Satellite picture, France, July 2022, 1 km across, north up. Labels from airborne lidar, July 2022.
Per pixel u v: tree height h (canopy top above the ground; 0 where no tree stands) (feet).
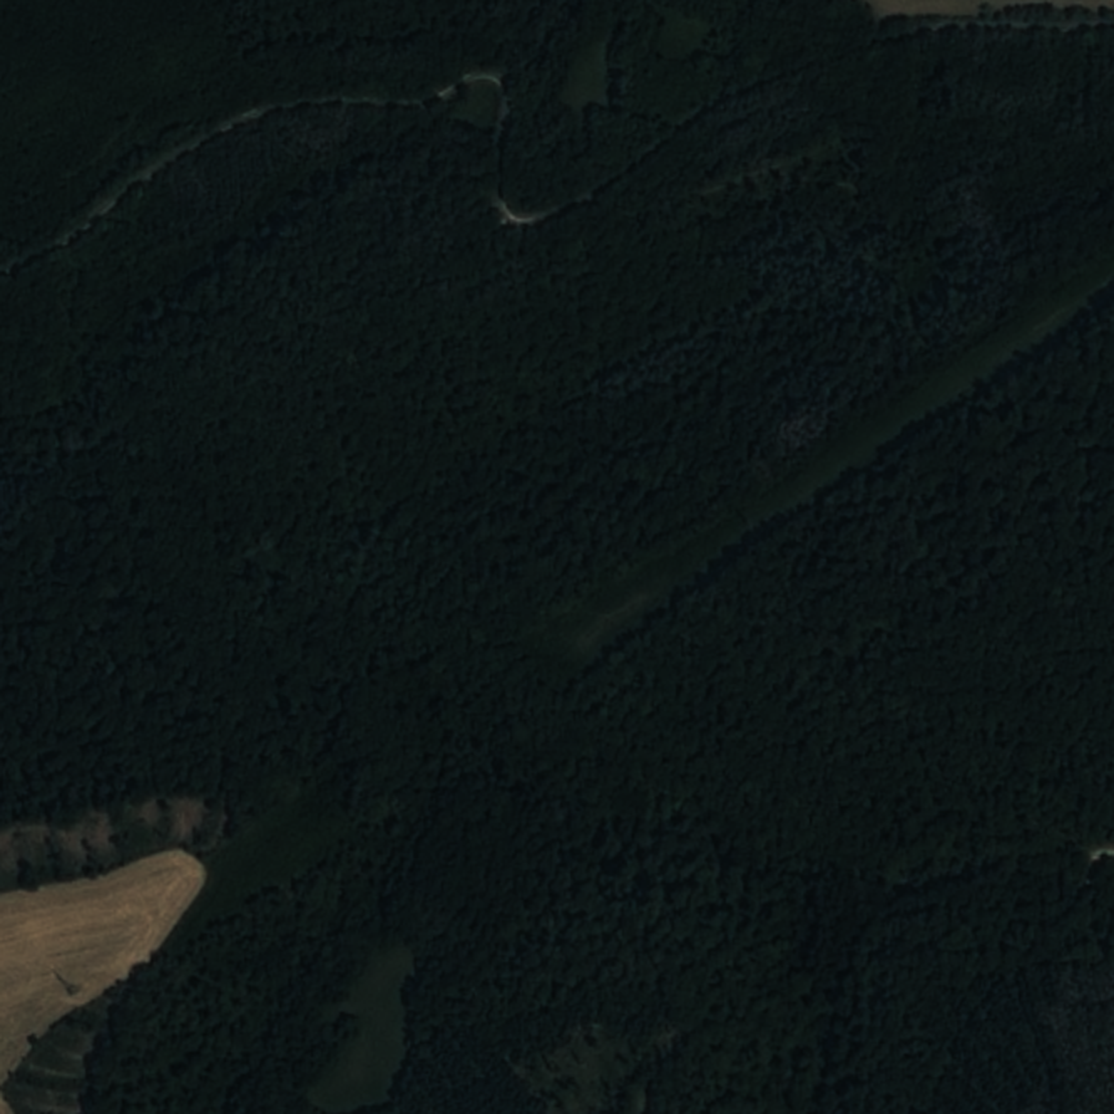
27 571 74
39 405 63
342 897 47
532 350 73
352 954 66
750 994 102
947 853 40
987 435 98
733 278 66
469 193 82
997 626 81
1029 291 91
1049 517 89
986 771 77
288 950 70
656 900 100
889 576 75
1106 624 85
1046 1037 72
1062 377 95
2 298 53
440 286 76
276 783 103
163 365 86
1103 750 74
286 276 63
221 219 65
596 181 46
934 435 68
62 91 25
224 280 80
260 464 73
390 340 55
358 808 81
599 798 81
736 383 69
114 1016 60
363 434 66
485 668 80
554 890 107
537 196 48
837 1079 55
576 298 50
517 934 48
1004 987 58
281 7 83
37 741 91
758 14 82
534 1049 57
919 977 78
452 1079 72
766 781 69
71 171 22
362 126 72
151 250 89
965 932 76
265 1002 52
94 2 34
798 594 73
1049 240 95
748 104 85
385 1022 0
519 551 70
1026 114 84
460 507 70
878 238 119
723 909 31
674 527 66
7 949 0
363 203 74
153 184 38
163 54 24
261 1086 80
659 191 68
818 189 40
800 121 92
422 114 72
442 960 77
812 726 74
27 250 68
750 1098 31
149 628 77
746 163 80
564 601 57
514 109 38
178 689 79
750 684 70
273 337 41
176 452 77
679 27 0
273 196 30
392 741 86
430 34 52
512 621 71
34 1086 26
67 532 68
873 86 96
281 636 85
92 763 82
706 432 84
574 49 35
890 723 63
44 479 74
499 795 98
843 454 0
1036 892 67
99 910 0
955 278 109
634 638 55
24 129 23
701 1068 91
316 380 62
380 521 29
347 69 72
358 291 37
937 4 0
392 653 68
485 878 70
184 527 90
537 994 75
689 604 70
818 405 102
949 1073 56
